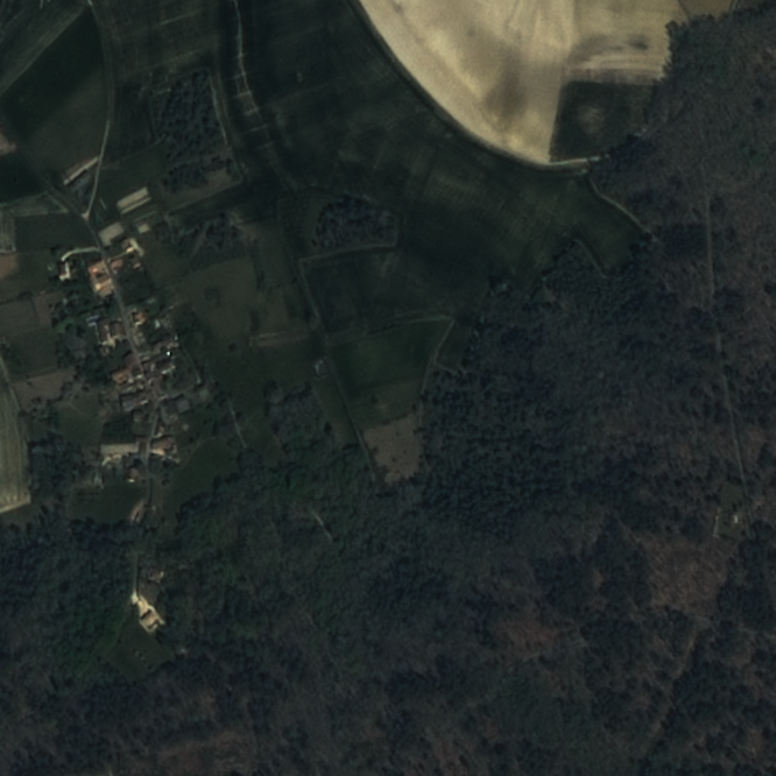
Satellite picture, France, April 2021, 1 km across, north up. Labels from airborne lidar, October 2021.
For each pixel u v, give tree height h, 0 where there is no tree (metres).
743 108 19
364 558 22
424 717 19
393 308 0
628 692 9
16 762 14
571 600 26
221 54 0
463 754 21
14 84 0
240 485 21
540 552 20
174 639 22
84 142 0
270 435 0
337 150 0
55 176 0
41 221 0
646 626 20
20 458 0
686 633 24
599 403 21
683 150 17
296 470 20
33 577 25
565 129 0
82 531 12
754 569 24
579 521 18
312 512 21
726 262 16
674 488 13
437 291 0
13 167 0
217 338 0
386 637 17
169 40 0
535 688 18
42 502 0
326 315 0
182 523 14
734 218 12
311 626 19
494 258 0
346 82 0
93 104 0
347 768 21
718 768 11
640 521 26
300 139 0
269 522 23
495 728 15
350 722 18
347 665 25
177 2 0
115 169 0
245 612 30
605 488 11
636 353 22
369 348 0
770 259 9
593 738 19
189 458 0
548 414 8
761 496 17
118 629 21
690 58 21
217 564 26
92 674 18
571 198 0
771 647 16
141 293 0
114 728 26
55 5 0
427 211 0
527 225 0
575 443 10
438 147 0
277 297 0
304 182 0
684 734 26
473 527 22
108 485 13
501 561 16
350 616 28
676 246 15
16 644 11
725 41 20
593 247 0
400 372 0
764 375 14
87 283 6
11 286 0
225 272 0
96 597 23
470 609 16
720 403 11
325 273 0
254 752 16
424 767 11
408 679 10
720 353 14
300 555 13
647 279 20
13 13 0
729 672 25
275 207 0
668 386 17
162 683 14
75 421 0
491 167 0
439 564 19
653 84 0
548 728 20
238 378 0
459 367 0
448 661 19
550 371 19
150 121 0
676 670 23
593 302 10
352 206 16
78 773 23
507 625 13
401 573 13
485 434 8
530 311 13
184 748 19
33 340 0
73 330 17
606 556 24
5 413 0
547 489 13
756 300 15
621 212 0
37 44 0
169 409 14
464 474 11
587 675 21
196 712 13
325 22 0
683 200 20
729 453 16
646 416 11
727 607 26
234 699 24
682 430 6
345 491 21
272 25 0
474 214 0
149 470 9
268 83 0
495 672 18
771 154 19
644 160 23
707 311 15
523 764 26
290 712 17
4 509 0
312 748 22
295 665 21
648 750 9
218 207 0
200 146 14
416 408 8
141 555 13
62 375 0
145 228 0
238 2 0
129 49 0
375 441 0
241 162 0
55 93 0
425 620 20
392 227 9
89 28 0
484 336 17
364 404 0
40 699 21
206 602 21
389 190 0
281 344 0
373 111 0
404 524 15
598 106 0
